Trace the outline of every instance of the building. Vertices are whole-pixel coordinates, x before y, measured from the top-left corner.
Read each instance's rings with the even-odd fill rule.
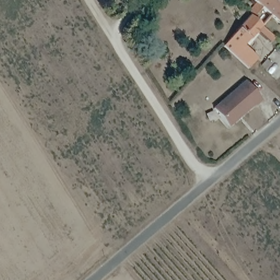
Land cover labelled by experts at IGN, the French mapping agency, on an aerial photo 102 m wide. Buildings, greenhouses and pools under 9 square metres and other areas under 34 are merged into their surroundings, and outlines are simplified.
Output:
[[[261,59],[254,51],[257,46],[255,40],[259,35],[280,51],[280,0],[255,0],[252,15],[225,44],[225,47],[247,68],[252,68],[254,63],[259,61]]]
[[[247,78],[209,113],[210,120],[221,120],[226,128],[230,125],[236,126],[237,122],[241,121],[241,117],[245,118],[249,108],[260,104],[262,97],[257,86],[255,80]]]

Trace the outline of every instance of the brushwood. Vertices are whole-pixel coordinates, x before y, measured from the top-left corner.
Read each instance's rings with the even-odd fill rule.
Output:
[[[221,39],[213,46],[207,52],[195,66],[198,71],[212,62],[214,52],[219,54],[225,47],[225,44]]]
[[[248,139],[248,133],[214,159],[212,151],[209,151],[207,156],[200,148],[196,149],[197,156],[202,163],[218,164]]]

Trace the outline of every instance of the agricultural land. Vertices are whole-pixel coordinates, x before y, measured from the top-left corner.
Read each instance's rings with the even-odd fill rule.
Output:
[[[187,210],[188,213],[194,214],[195,221],[200,222],[203,229],[218,242],[217,250],[224,250],[236,266],[241,265],[250,280],[280,280],[280,162],[271,153],[260,150],[236,168],[231,175],[227,175],[218,188],[212,188],[205,197],[192,206]]]
[[[5,11],[0,9],[0,280],[75,280],[94,264],[95,260],[107,255],[110,250],[115,250],[118,254],[183,199],[195,183],[195,172],[178,153],[162,121],[140,91],[136,81],[132,79],[83,0],[21,0],[23,7],[17,12],[15,20],[5,19]]]

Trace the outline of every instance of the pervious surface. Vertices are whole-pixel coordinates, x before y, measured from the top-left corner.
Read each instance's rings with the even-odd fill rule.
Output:
[[[265,84],[257,86],[262,97],[260,104],[262,112],[269,120],[268,124],[260,129],[252,128],[245,118],[241,117],[241,121],[248,133],[248,139],[218,164],[202,163],[197,156],[190,151],[179,127],[157,101],[127,49],[119,32],[121,21],[106,16],[97,0],[83,0],[132,79],[136,81],[140,91],[162,121],[178,153],[195,172],[195,183],[183,199],[280,118],[280,102],[273,97],[275,93]]]
[[[218,188],[227,175],[231,175],[236,168],[260,150],[260,143],[190,203],[192,206],[205,197],[212,188]]]
[[[259,35],[255,40],[257,46],[254,51],[261,59],[259,61],[273,77],[280,78],[280,51]]]

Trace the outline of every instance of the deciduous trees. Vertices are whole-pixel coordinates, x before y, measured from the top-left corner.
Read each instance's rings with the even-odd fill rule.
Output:
[[[0,9],[5,11],[5,19],[15,20],[17,12],[23,7],[21,0],[0,0]]]
[[[195,66],[191,63],[182,73],[170,78],[166,82],[167,89],[179,94],[191,80],[195,79],[198,71]]]
[[[198,56],[201,49],[207,52],[213,46],[207,38],[201,40],[199,45],[186,35],[177,38],[177,43],[185,47],[192,56]]]
[[[133,57],[138,59],[140,66],[153,58],[166,61],[171,59],[167,40],[155,35],[159,31],[159,20],[156,16],[170,0],[97,0],[106,16],[121,21],[119,32],[127,49],[133,51]]]

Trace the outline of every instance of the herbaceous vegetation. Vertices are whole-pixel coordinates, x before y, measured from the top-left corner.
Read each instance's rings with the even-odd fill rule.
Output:
[[[245,118],[252,128],[260,129],[268,124],[269,120],[262,112],[260,104],[249,108]]]
[[[247,68],[225,47],[219,54],[214,52],[212,62],[198,71],[195,79],[191,80],[179,94],[167,89],[166,82],[170,78],[182,73],[191,63],[195,66],[207,52],[201,49],[198,56],[192,56],[185,47],[177,43],[177,38],[186,35],[199,45],[201,40],[207,38],[213,46],[221,39],[225,44],[252,15],[255,0],[170,0],[156,16],[159,20],[159,31],[155,35],[167,40],[171,59],[166,61],[153,58],[140,66],[138,59],[133,57],[133,51],[127,49],[157,101],[179,127],[190,151],[197,156],[196,149],[200,148],[207,156],[209,151],[212,151],[214,159],[248,133],[241,121],[237,122],[236,126],[230,125],[226,128],[221,120],[210,120],[209,113],[247,78],[255,80],[257,86],[265,84],[275,93],[273,97],[280,102],[280,78],[273,77],[259,61],[254,63],[252,68]]]
[[[110,250],[107,255],[95,260],[94,264],[75,280],[87,280],[118,254],[115,250]]]

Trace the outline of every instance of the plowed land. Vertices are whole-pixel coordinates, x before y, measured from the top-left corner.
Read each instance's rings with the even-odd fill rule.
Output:
[[[280,162],[280,127],[260,143],[260,150],[271,153]]]

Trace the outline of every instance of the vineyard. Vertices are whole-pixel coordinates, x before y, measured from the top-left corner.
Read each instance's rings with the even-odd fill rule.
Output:
[[[203,229],[200,222],[195,221],[194,214],[188,213],[187,210],[192,206],[190,203],[118,264],[118,276],[106,280],[250,280],[241,265],[236,266],[224,250],[217,250],[218,242]]]

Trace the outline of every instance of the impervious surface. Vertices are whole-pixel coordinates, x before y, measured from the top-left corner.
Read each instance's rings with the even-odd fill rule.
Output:
[[[87,280],[106,280],[118,276],[118,264],[190,203],[260,143],[280,127],[280,118],[183,199],[118,254]]]

